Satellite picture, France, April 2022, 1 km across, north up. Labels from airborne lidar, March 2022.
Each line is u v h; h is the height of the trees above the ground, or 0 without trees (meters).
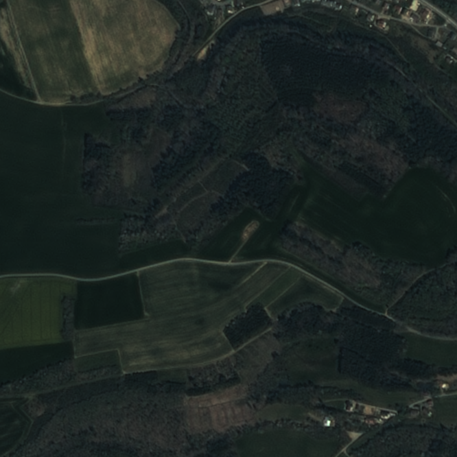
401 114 15
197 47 27
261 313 10
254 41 17
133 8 0
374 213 0
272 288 0
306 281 0
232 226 0
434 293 12
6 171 0
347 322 16
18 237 0
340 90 23
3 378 0
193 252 10
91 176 13
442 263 0
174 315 0
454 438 13
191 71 14
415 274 26
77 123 0
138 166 0
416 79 24
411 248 0
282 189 24
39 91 0
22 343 0
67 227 0
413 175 0
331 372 0
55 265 0
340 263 26
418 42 0
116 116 24
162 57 0
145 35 0
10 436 0
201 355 0
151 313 0
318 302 0
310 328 25
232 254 0
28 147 0
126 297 0
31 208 0
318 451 0
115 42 0
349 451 0
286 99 12
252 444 0
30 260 0
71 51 0
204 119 32
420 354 0
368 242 0
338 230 0
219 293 0
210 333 0
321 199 0
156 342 0
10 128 0
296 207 0
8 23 0
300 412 0
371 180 13
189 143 28
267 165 23
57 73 0
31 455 10
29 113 0
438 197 0
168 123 22
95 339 0
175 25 0
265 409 0
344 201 0
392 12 0
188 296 0
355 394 7
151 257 0
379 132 18
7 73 0
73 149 0
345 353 26
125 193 0
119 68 0
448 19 0
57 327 0
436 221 0
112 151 23
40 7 0
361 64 22
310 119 20
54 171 0
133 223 16
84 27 0
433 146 29
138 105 0
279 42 21
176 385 11
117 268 0
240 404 0
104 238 0
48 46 0
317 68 26
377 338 18
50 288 0
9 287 0
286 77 22
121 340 0
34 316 0
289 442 0
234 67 15
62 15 0
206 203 0
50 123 0
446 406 0
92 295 0
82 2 0
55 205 0
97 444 9
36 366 0
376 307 0
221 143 21
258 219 0
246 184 25
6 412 0
